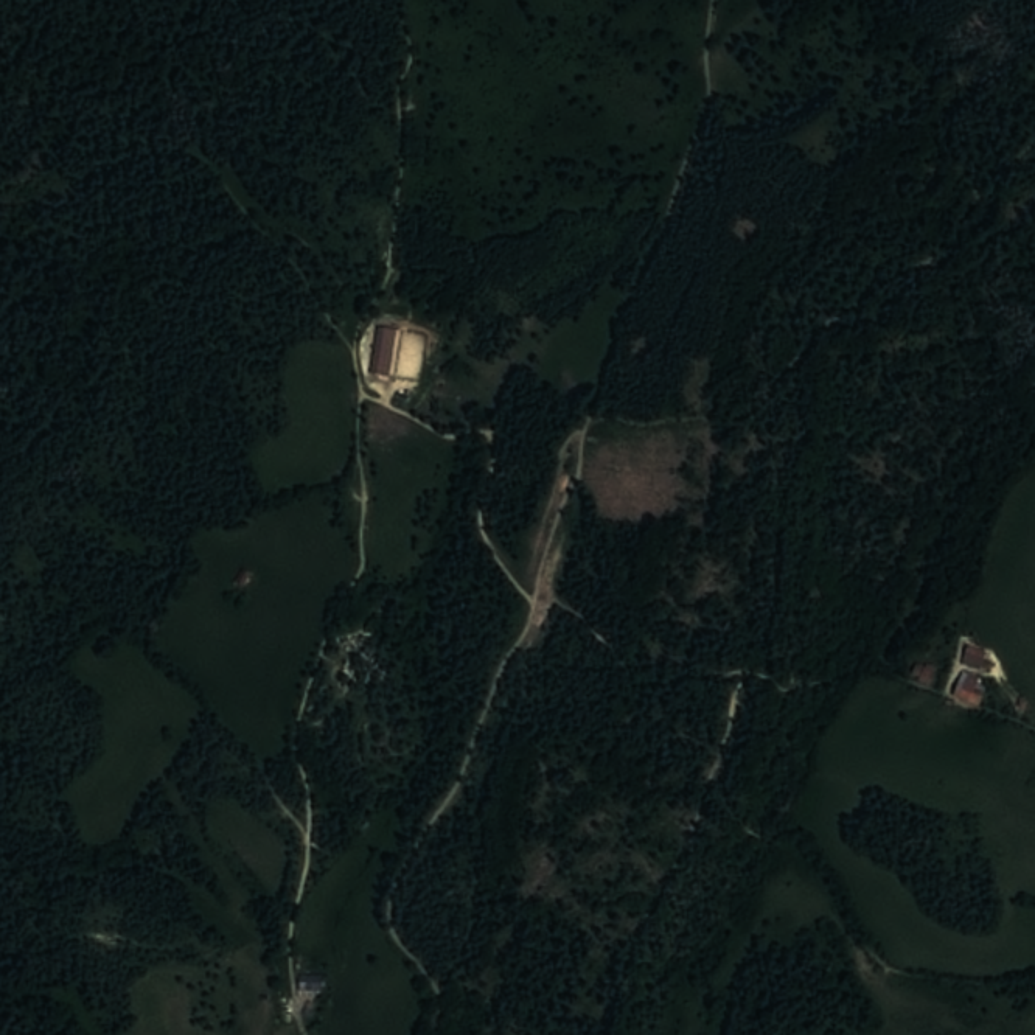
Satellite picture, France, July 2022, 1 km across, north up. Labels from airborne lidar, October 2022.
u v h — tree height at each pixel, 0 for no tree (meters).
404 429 0
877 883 0
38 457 26
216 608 0
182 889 25
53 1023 21
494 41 7
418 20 0
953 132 24
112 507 27
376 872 0
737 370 13
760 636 17
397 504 0
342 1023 0
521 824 18
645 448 0
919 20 24
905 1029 0
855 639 9
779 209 25
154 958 6
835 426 22
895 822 17
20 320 35
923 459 21
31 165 21
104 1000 11
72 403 27
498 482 13
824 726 13
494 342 8
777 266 8
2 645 11
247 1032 0
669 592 19
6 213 34
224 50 24
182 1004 0
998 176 27
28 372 38
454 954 21
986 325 19
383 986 0
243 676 0
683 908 7
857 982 12
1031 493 0
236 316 18
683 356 25
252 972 0
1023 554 0
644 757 8
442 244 17
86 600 16
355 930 0
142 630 25
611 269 18
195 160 17
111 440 12
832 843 0
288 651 0
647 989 10
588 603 20
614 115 0
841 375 24
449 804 0
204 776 12
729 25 0
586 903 12
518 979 11
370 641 7
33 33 21
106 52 22
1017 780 0
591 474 0
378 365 0
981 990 9
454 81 0
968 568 25
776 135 23
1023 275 24
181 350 25
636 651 14
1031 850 0
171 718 0
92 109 21
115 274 22
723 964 12
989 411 15
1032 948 0
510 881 20
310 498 16
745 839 10
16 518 15
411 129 13
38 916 16
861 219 20
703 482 7
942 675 6
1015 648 0
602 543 13
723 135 22
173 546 18
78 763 12
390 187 13
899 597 19
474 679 12
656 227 19
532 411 22
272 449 0
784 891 0
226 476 21
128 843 7
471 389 0
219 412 24
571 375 0
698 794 19
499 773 19
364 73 22
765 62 25
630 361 23
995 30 31
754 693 17
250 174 23
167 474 23
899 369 7
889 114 18
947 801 0
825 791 0
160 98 26
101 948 7
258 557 0
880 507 8
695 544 18
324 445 0
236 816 0
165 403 17
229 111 19
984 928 15
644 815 15
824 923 10
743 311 8
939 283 23
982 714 7
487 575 12
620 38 8
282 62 20
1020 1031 0
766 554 12
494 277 14
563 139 0
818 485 15
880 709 0
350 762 13
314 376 0
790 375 18
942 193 31
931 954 0
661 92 0
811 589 14
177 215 24
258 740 0
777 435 23
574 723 19
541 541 0
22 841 23
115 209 25
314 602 0
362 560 0
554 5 0
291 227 6
